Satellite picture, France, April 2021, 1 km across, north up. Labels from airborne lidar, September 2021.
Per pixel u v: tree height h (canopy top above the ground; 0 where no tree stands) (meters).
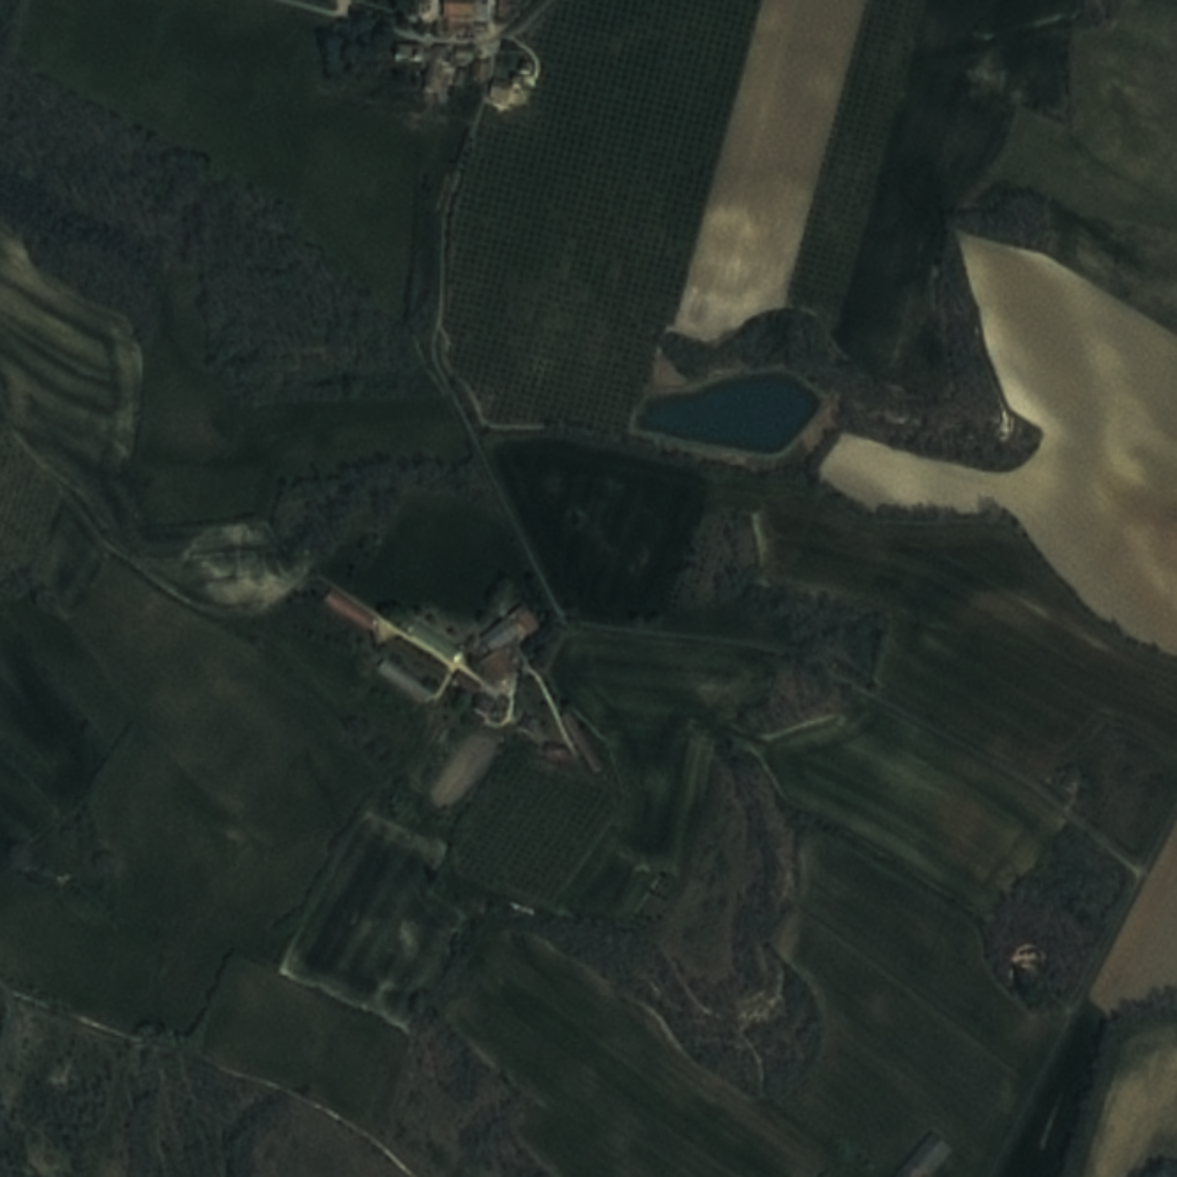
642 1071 0
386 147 0
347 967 0
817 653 18
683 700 0
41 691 0
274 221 15
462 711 12
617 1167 0
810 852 0
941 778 0
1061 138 0
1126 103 0
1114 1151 0
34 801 0
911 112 0
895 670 0
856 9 0
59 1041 0
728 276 0
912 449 11
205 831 0
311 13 0
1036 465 0
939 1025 0
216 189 9
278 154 0
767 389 0
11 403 0
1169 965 0
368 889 0
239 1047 0
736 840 0
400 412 0
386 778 0
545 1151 0
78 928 0
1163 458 0
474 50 9
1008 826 0
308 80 0
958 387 8
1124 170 0
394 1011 0
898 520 14
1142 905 0
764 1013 0
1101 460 0
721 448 0
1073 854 7
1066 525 0
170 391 0
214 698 0
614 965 17
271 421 0
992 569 0
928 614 0
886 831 0
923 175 0
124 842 0
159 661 0
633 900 0
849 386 17
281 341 15
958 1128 0
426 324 18
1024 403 0
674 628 0
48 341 0
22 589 17
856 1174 0
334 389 14
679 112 6
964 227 14
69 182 18
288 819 0
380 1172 0
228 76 0
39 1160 0
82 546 0
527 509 0
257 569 0
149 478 0
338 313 17
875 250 0
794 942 0
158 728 0
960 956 0
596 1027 0
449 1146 0
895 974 0
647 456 8
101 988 0
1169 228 0
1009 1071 0
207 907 0
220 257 12
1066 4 0
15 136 8
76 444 0
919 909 0
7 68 14
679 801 0
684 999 11
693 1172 0
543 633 10
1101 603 0
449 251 8
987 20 0
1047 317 0
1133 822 0
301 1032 0
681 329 0
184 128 0
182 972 0
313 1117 0
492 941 0
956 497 0
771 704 10
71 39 0
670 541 0
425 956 0
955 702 0
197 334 0
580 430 12
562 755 0
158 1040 14
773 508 0
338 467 0
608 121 6
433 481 16
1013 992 9
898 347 0
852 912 0
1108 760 0
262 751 0
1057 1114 0
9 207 16
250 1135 15
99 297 19
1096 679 0
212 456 0
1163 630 0
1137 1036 0
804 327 14
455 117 0
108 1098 10
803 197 0
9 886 0
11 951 0
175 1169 21
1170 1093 0
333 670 0
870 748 0
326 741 0
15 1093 0
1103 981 0
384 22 6
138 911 0
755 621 0
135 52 0
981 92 0
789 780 0
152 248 11
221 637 0
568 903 0
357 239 0
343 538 12
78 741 0
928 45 0
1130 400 0
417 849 0
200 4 0
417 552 0
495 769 7
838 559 0
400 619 12
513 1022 0
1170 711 0
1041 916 13
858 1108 0
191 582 0
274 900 0
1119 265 0
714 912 0
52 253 18
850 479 0
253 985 0
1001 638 0
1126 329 0
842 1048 0
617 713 0
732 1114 0
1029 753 0
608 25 6
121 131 17
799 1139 0
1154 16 0
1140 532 0
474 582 0
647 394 0
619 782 0
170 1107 16
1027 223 11
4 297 0
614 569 0
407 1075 0
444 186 0
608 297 6
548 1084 0
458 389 15
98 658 0
